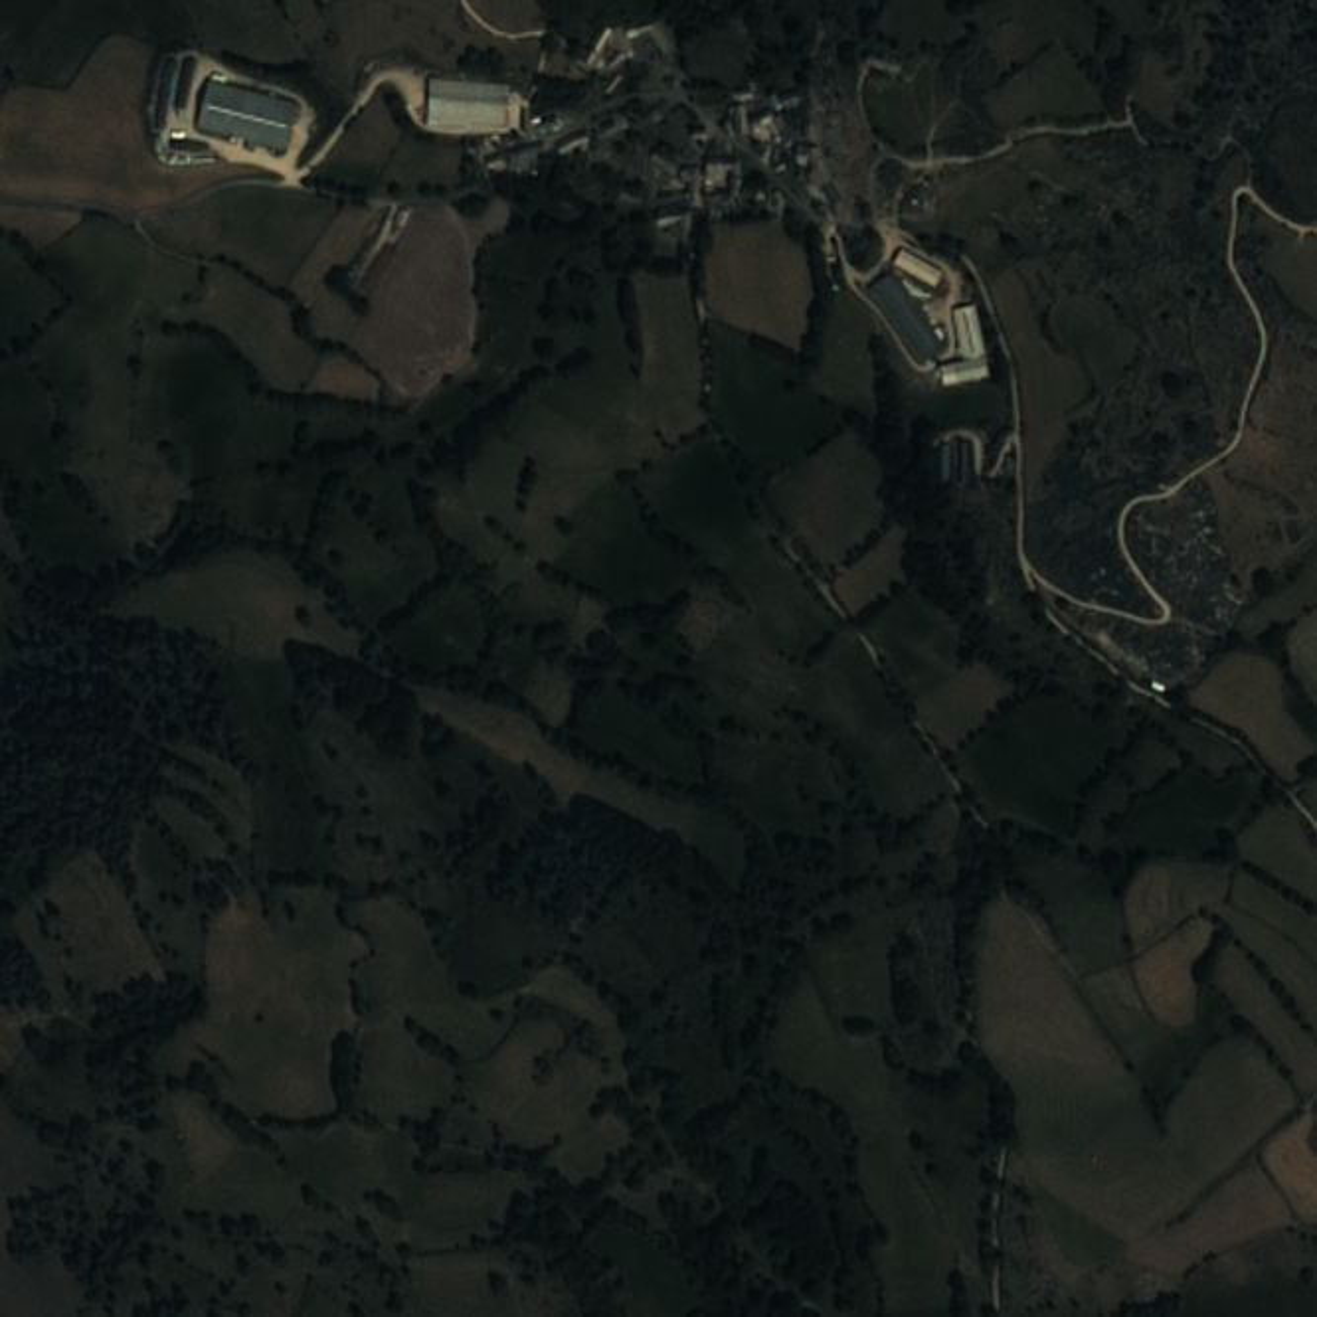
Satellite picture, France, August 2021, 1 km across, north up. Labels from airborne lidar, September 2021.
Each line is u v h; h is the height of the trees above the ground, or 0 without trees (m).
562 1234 13
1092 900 0
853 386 0
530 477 10
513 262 0
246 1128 20
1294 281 0
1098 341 0
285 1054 0
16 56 0
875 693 0
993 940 0
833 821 12
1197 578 0
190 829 0
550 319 19
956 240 7
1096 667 7
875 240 11
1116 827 11
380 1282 7
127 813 17
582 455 0
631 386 0
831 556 0
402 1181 0
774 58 11
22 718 18
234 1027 0
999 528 0
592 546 0
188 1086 8
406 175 0
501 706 6
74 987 11
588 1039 8
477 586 14
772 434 0
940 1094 16
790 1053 0
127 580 17
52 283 7
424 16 0
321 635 0
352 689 18
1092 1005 0
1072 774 0
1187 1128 0
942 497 11
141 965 0
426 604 15
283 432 0
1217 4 0
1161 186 0
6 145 0
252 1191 0
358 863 0
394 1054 0
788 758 0
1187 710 10
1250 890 0
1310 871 0
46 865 13
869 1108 0
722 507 0
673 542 12
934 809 6
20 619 0
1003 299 0
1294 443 0
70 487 14
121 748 15
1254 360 0
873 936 0
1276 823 0
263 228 0
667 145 9
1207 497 0
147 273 0
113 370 0
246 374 9
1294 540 0
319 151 0
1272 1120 0
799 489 0
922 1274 0
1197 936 0
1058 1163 0
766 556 0
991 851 15
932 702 0
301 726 16
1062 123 6
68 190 0
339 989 0
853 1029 13
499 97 0
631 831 17
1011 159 0
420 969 0
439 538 13
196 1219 13
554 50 12
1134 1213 0
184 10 0
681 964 0
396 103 10
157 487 0
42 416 0
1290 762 0
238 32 0
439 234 0
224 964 0
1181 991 0
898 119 0
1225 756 0
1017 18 0
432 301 0
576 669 15
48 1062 7
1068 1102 0
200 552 21
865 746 0
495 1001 0
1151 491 0
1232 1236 0
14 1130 0
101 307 0
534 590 0
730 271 0
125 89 0
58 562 0
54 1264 0
